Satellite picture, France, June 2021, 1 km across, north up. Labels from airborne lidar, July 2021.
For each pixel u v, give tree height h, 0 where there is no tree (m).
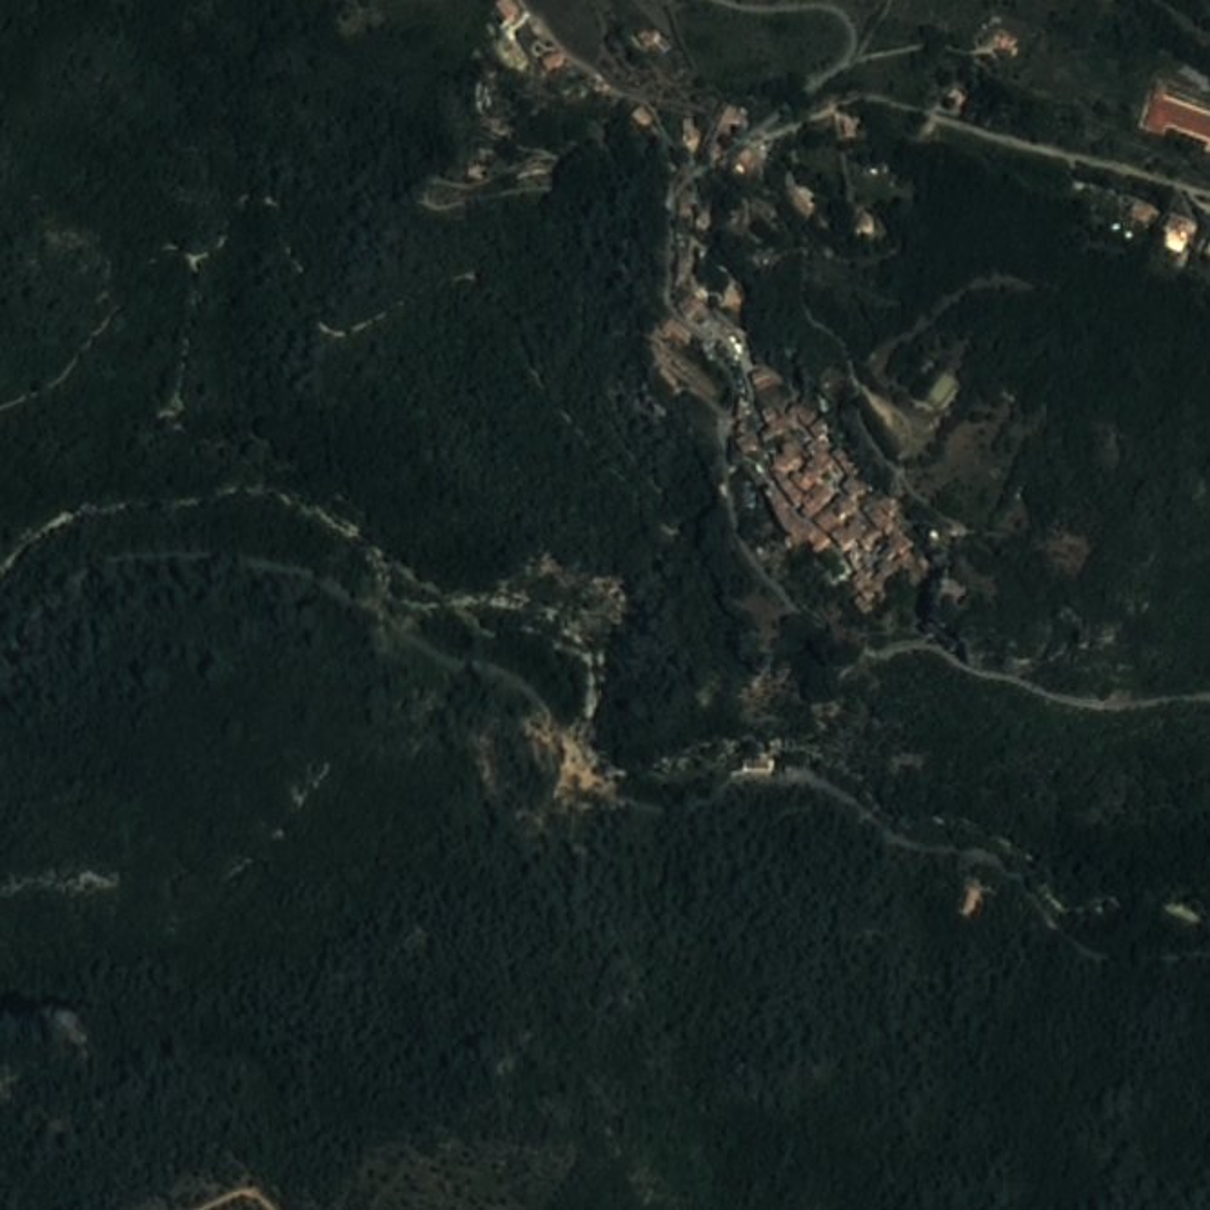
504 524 5
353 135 12
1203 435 7
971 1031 20
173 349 10
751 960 21
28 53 14
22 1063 9
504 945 17
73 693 7
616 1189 7
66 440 14
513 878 12
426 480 13
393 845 11
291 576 9
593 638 8
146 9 13
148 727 9
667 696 8
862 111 12
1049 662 7
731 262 14
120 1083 8
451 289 10
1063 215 15
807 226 11
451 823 21
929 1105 10
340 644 8
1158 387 9
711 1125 13
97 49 7
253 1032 11
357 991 18
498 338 12
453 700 12
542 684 7
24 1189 7
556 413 7
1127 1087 21
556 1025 9
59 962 13
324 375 9
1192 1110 17
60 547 13
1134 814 10
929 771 9
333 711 11
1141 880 24
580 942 9
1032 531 8
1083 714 6
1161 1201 15
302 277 12
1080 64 0
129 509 13
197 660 19
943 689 8
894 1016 15
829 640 10
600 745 17
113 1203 12
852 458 8
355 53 14
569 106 6
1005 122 6
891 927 17
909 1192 6
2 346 9
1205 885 18
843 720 10
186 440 18
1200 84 0
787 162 9
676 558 11
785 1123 10
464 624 11
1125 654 6
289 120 10
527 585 6
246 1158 14
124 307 14
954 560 7
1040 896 8
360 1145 10
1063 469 8
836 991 20
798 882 21
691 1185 15
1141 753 12
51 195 11
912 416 0
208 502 11
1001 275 7
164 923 5
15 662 7
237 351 24
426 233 7
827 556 6
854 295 7
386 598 8
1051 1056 10
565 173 20
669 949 19
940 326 9
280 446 17
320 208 13
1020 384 8
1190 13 10
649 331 10
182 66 10
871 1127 16
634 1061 8
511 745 20
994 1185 20
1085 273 13
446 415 10
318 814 13
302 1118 12
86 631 23
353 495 11
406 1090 16
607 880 18
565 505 9
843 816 10
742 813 15
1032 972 12
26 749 12
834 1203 7
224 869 10
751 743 17
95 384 12
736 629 15
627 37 10
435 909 11
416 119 15
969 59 6
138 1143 6
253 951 15
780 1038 9
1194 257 6
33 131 7
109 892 9
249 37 13
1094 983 12
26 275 7
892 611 7
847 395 11
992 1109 13
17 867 7
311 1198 7
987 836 11
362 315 7
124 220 15
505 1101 6
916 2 0
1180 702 11
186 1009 11
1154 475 10
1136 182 7
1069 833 15
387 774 11
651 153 8
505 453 6
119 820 9
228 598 6
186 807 10
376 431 11
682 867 13
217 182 10
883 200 13
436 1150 11
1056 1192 11
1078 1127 5
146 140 14
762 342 12
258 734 12
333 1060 19
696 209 6
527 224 14
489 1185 0
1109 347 12
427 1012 20
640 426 14
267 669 13
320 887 20
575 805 10
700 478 11
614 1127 8
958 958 16
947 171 11
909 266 11
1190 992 23
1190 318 10
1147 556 6
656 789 13
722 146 12
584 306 8
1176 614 8
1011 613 7
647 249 10
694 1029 11
